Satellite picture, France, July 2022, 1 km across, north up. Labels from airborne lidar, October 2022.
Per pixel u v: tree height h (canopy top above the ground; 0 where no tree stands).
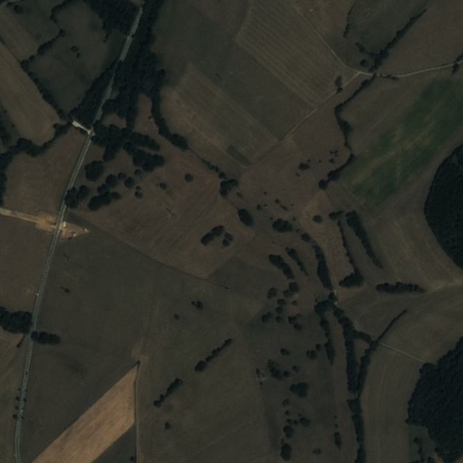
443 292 0
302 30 0
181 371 0
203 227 0
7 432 0
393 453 0
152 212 0
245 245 0
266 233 0
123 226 0
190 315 0
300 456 0
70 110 0
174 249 0
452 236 19
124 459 0
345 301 0
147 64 21
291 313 0
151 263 0
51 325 0
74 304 0
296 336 0
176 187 0
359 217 13
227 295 0
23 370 0
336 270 0
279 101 0
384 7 0
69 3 13
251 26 0
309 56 0
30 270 0
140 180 0
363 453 18
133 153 19
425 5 0
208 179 0
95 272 0
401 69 0
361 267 0
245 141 0
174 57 0
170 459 0
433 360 0
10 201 0
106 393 0
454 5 0
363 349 0
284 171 0
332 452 0
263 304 0
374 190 0
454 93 0
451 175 14
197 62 0
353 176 0
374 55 11
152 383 0
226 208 0
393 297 0
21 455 0
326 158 0
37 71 0
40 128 0
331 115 0
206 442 0
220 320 0
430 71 0
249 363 0
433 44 0
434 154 0
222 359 0
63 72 0
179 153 0
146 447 0
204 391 0
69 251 0
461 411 18
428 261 0
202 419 0
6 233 0
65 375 0
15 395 0
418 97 0
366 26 0
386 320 0
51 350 0
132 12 14
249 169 0
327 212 0
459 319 0
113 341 0
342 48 0
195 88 0
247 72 0
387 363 0
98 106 13
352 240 0
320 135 0
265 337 0
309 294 0
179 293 0
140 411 0
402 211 0
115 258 0
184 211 0
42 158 0
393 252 0
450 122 0
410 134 0
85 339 0
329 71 0
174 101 0
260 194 0
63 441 0
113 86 8
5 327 11
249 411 0
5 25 0
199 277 0
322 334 0
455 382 22
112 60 0
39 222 0
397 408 0
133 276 0
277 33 0
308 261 0
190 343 0
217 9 0
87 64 0
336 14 0
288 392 0
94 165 15
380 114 0
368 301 0
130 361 0
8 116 0
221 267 0
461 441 13
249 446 0
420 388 16
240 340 0
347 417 0
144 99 0
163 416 0
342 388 0
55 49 0
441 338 0
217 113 0
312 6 0
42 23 0
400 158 0
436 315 0
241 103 0
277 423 0
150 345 0
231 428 0
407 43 0
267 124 0
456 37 0
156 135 0
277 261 18
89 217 0
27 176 0
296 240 0
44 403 0
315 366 0
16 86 0
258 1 0
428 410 13
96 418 0
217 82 0
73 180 0
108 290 0
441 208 16
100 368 0
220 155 0
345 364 0
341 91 8
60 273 0
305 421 17
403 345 0
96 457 0
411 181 0
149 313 0
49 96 17
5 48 0
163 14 0
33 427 0
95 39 0
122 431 0
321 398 0
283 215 0
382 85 0
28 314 13
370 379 0
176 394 0
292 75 0
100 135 18
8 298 0
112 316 0
